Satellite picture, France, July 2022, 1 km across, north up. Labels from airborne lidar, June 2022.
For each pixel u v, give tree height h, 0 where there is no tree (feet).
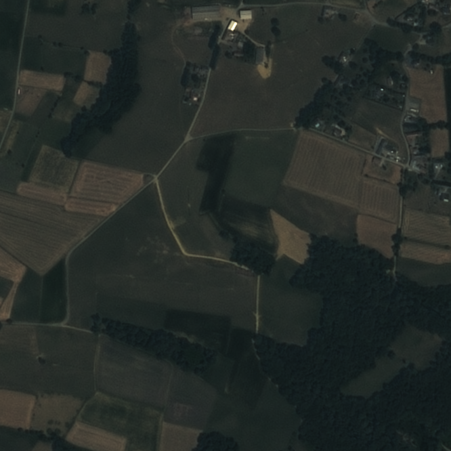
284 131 0
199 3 0
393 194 0
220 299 0
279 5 0
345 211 0
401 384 67
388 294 94
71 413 0
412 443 81
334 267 69
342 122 32
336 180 0
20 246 0
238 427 0
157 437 0
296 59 0
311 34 0
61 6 0
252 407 0
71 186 0
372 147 18
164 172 0
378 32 0
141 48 0
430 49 0
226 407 0
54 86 0
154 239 0
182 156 0
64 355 0
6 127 0
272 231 0
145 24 0
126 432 0
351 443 64
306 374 74
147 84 0
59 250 0
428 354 0
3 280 0
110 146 0
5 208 0
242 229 0
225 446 60
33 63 0
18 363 0
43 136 0
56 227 0
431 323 91
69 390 0
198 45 0
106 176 0
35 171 0
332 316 78
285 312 0
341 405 82
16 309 0
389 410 69
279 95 0
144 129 0
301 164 0
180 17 0
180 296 0
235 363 0
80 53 0
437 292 37
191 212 0
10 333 0
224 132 0
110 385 0
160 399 0
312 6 0
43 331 0
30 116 0
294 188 0
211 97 0
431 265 0
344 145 0
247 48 49
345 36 0
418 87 0
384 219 0
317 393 61
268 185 0
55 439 24
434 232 0
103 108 86
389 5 0
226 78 0
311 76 0
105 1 0
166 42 0
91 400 0
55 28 0
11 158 0
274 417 0
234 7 0
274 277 0
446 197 0
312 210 0
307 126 59
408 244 0
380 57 68
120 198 0
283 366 86
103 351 0
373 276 75
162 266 0
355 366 71
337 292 80
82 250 0
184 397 0
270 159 0
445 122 28
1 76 0
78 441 0
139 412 0
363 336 84
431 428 101
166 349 73
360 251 64
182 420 0
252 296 0
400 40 0
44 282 0
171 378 0
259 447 0
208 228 0
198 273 0
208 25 0
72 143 93
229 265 0
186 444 0
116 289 0
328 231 0
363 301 73
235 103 0
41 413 0
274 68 0
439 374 56
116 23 0
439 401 66
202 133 0
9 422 0
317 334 85
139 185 0
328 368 85
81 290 0
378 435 69
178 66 0
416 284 38
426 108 0
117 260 0
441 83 0
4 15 0
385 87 22
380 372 0
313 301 0
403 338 0
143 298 0
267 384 0
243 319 0
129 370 0
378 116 0
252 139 0
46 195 0
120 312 0
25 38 0
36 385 0
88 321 0
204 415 0
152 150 0
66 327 0
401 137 0
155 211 0
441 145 0
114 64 63
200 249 0
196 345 31
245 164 0
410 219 0
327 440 72
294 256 0
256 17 0
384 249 0
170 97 0
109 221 0
